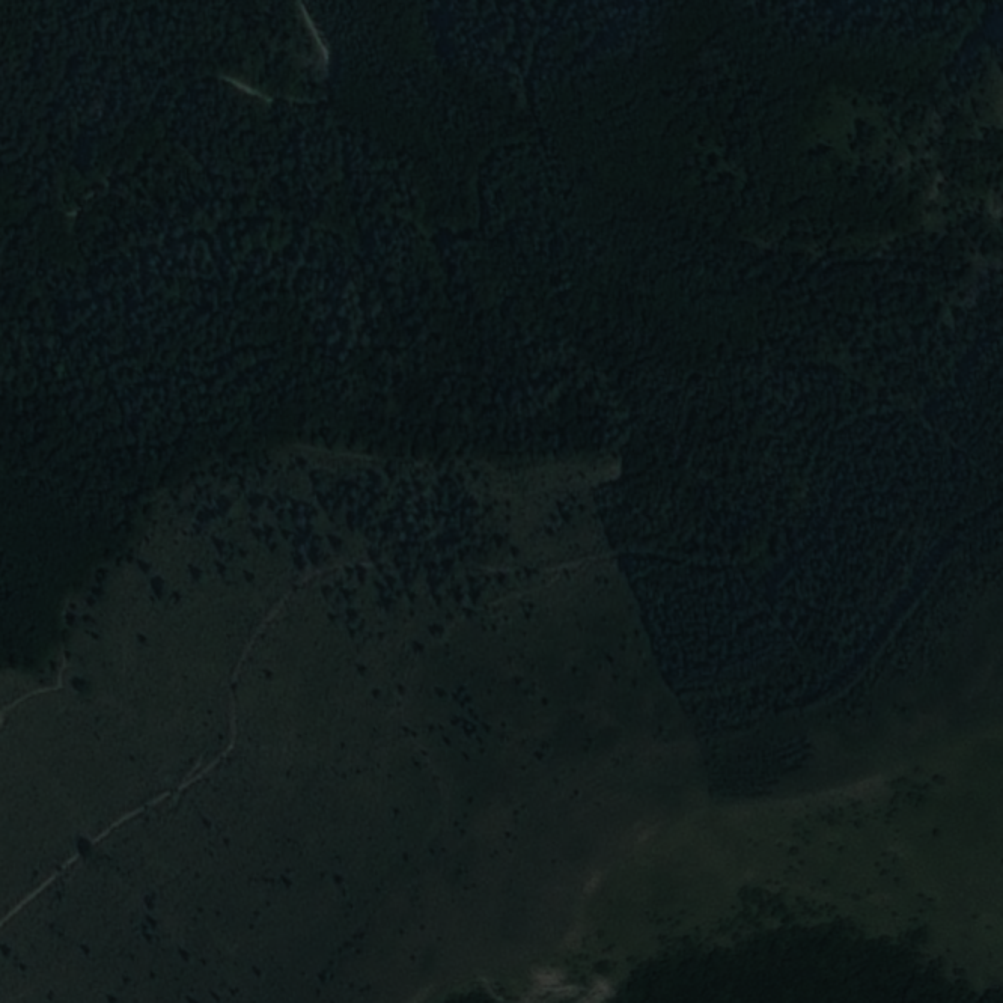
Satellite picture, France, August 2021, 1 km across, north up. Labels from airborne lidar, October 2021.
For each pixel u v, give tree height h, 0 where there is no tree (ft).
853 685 45
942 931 0
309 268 51
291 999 0
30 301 94
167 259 31
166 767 0
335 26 45
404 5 37
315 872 0
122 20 48
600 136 63
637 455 51
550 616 0
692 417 29
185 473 55
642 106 52
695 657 44
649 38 93
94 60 80
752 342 53
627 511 39
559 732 0
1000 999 38
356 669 0
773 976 51
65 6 76
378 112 59
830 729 0
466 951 0
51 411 48
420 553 64
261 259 90
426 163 69
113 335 88
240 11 55
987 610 0
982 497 50
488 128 63
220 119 78
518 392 47
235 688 19
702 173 25
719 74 44
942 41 56
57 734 0
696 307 76
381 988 0
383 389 82
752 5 80
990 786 0
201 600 0
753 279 50
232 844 19
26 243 73
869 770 0
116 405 51
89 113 105
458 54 87
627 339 62
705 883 0
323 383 63
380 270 89
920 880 0
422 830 0
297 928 0
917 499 47
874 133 43
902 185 32
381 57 54
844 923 22
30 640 93
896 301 35
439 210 67
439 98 61
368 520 64
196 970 0
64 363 93
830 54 93
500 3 67
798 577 38
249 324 68
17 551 75
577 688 0
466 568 25
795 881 0
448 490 29
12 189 62
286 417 78
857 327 36
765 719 28
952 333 36
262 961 0
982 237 38
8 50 38
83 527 65
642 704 0
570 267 62
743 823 0
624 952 0
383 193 64
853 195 63
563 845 0
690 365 56
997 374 53
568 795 0
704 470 27
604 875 0
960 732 0
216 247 83
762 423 35
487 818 0
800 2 98
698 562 49
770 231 62
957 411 39
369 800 0
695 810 0
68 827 0
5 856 0
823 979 32
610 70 65
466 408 48
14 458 60
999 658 0
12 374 86
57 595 60
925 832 0
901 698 0
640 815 0
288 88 57
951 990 32
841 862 0
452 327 74
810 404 41
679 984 57
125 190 56
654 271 85
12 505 65
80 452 47
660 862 0
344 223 29
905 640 26
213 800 0
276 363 66
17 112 99
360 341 102
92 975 0
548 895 0
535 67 39
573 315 67
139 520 64
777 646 53
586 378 70
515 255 55
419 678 0
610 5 78
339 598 24
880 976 50
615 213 52
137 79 70
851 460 52
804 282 31
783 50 86
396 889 0
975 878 0
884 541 44
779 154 76
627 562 30
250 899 0
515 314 81
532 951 0
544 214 47
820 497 31
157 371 69
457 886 0
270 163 91
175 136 53
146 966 0
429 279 86
